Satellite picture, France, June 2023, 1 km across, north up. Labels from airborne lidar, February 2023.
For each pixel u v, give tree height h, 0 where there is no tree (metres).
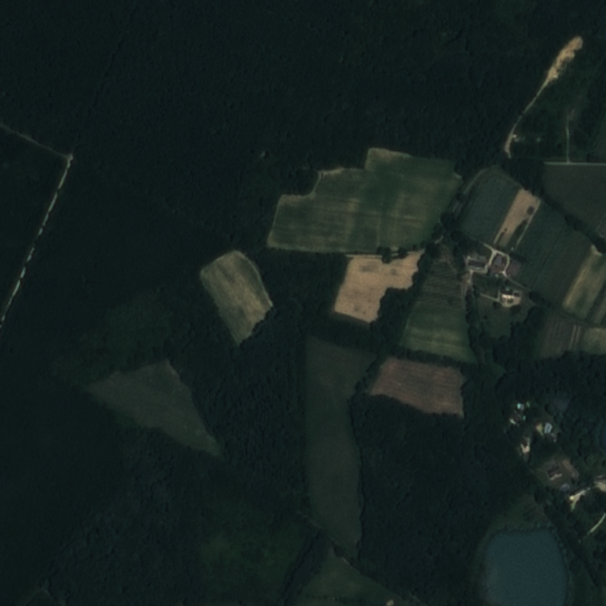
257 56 24
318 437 0
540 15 27
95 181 14
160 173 23
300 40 23
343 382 0
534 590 0
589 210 0
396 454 25
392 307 21
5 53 24
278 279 24
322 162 21
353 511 0
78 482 14
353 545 0
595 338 0
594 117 6
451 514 22
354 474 0
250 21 24
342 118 23
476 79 25
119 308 14
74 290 11
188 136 22
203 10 21
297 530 0
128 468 15
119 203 13
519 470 22
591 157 12
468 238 12
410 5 16
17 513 14
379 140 23
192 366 16
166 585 11
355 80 23
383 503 21
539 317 19
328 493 0
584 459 20
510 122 25
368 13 22
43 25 23
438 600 23
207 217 20
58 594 26
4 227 10
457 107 25
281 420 21
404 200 0
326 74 24
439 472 31
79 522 14
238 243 22
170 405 0
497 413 17
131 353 17
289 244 0
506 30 23
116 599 29
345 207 0
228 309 0
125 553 28
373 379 17
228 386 18
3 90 22
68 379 16
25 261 7
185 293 21
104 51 21
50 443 13
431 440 29
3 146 9
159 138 23
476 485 30
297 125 28
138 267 13
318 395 0
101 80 20
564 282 0
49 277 14
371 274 0
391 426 27
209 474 13
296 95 24
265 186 16
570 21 19
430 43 18
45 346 11
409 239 0
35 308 13
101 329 13
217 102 21
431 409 0
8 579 14
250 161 24
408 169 0
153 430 6
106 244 15
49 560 13
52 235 12
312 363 0
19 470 11
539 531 0
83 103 24
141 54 21
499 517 23
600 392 29
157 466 13
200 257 14
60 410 13
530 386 26
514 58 17
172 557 11
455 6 18
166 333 19
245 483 18
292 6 25
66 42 23
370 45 15
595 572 16
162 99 21
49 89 21
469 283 0
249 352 25
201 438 0
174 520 24
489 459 28
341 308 0
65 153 12
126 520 26
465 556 20
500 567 0
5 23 22
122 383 0
